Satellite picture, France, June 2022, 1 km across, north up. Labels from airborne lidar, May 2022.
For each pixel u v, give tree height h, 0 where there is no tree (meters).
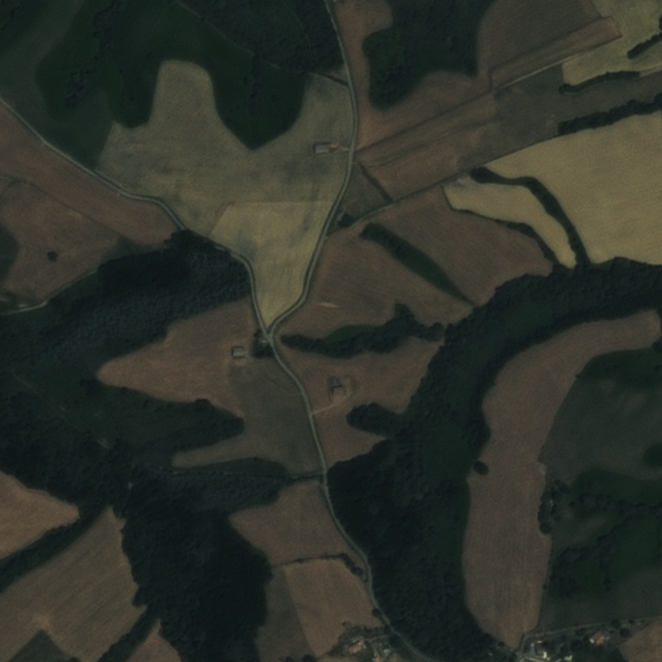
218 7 8
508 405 0
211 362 0
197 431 7
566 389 0
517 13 0
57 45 0
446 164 0
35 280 0
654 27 0
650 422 0
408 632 13
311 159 0
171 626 16
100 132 0
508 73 0
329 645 0
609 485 0
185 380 0
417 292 0
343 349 7
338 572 0
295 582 0
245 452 0
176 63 0
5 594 0
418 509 11
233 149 0
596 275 15
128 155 0
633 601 0
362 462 18
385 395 0
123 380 0
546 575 0
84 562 0
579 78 0
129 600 0
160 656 0
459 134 0
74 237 0
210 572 12
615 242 0
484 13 0
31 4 0
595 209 0
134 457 13
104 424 0
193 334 0
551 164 0
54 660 0
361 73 0
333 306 0
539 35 0
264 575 10
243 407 0
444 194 0
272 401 0
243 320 0
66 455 13
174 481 10
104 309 15
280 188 0
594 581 0
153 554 17
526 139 0
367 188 0
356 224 0
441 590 20
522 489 0
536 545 0
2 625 0
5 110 0
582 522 0
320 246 0
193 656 19
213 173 0
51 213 0
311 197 0
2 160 0
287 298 0
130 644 8
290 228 0
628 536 0
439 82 0
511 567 0
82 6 0
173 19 0
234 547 9
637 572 0
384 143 0
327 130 0
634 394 0
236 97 0
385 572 17
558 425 0
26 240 0
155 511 12
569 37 0
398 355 0
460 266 0
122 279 17
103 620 0
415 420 9
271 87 0
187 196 0
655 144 0
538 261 0
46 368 0
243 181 0
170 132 0
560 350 0
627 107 9
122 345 6
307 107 0
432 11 6
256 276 0
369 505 11
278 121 0
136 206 0
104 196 0
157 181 0
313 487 0
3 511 0
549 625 0
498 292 9
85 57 0
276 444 0
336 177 0
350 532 14
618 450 0
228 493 9
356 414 17
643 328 0
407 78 10
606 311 12
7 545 0
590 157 0
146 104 0
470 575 0
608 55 0
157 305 15
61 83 0
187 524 18
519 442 0
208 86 0
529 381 0
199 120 0
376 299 0
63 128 0
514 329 0
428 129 0
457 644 8
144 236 0
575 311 6
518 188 0
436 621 9
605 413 0
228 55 0
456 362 7
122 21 0
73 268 0
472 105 0
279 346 0
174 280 17
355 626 0
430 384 7
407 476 9
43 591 0
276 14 0
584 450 0
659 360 0
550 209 9
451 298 0
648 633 0
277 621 0
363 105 0
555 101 0
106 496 20
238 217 0
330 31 9
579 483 0
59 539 12
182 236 14
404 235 0
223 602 18
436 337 17
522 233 7
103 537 0
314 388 0
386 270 0
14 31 0
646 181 0
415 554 20
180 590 13
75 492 14
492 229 0
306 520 0
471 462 0
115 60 0
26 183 0
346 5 0
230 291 10
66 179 0
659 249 0
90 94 0
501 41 0
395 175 0
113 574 0
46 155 0
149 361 0
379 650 0
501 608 0
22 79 0
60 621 0
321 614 0
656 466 0
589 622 0
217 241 0
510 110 0
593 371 0
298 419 0
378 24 0
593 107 0
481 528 0
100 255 0
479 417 10
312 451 0
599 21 0
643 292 11
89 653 0
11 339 7
